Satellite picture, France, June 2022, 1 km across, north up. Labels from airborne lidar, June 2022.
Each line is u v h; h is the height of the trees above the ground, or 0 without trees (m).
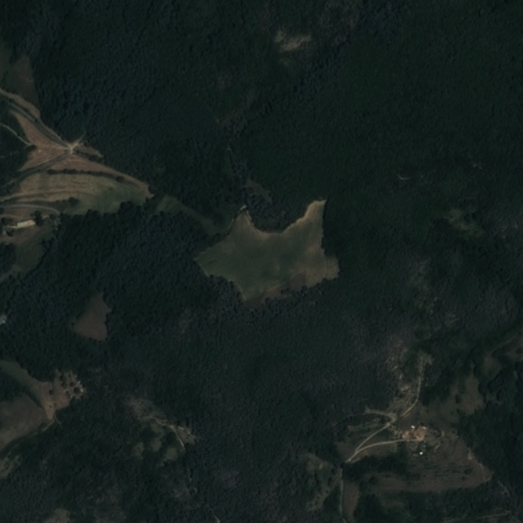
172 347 15
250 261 0
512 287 19
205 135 20
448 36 15
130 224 11
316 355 11
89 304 8
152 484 21
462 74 18
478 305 10
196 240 7
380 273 10
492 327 14
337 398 13
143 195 0
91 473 10
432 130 18
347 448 0
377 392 11
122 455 13
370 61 22
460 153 15
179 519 10
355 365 10
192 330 11
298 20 16
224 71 12
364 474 7
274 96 15
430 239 16
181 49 20
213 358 9
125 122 16
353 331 12
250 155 15
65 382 7
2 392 13
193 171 13
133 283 18
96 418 13
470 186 13
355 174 17
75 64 21
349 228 14
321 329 13
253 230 0
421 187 10
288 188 13
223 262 0
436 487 0
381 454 0
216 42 18
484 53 11
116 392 11
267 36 15
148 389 15
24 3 11
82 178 0
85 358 8
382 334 17
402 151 19
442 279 9
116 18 20
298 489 16
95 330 0
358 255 16
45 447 18
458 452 0
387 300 14
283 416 22
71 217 13
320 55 14
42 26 15
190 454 15
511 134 19
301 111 18
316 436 20
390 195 11
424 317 13
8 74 8
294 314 16
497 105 19
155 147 26
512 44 20
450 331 14
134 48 15
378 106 14
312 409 18
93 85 17
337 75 21
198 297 9
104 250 8
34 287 13
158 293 11
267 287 0
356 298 16
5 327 20
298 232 0
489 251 14
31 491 18
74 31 20
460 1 20
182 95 19
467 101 19
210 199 15
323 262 0
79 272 10
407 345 0
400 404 0
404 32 24
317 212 0
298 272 0
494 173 12
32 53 15
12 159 7
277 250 0
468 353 7
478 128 17
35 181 0
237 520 11
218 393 11
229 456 10
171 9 18
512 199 9
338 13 13
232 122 9
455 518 11
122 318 16
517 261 18
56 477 12
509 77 16
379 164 20
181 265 17
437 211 15
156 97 20
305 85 29
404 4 18
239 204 19
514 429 13
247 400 12
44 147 0
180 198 11
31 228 0
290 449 13
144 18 21
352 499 0
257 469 10
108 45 21
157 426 0
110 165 10
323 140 20
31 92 0
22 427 0
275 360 17
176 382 13
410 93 21
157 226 9
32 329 14
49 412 0
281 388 16
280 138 18
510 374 17
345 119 21
